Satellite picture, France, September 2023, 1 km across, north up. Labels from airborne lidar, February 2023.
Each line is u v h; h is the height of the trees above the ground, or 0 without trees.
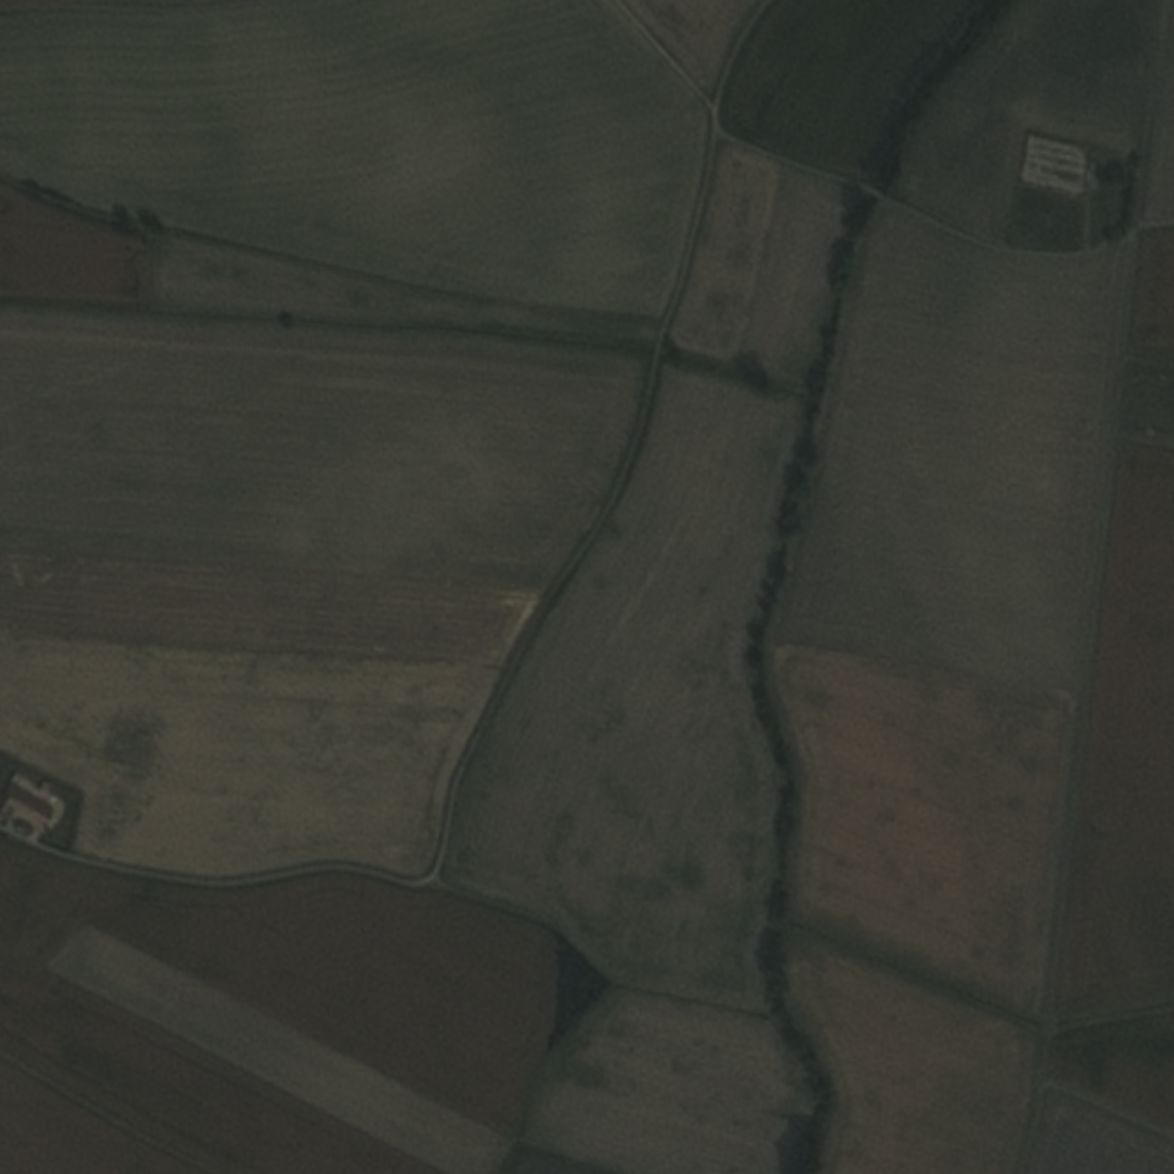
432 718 0
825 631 0
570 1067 0
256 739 0
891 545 0
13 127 0
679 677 0
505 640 0
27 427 0
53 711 0
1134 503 0
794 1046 16
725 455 0
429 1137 0
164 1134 0
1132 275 0
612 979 0
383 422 0
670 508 0
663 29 0
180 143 0
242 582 0
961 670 0
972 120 0
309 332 0
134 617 0
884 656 0
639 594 0
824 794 0
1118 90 0
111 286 0
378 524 0
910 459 0
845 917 0
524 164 0
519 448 0
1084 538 0
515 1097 0
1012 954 0
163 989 0
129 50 0
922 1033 0
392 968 0
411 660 0
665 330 0
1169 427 0
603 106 0
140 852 0
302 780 0
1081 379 0
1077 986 0
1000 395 0
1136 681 0
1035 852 0
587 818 0
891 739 0
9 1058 0
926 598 0
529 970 0
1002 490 0
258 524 0
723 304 0
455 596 0
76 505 0
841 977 0
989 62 0
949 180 0
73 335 0
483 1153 0
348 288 0
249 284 0
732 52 0
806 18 0
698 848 0
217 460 0
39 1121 0
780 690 0
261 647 0
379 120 0
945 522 0
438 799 0
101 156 0
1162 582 0
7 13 0
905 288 0
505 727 0
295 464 0
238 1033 0
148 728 0
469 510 0
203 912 0
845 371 0
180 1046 0
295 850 0
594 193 0
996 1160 0
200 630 0
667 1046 0
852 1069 0
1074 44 0
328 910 0
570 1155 0
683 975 0
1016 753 0
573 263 0
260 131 0
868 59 0
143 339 0
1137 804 0
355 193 0
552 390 0
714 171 0
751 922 0
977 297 0
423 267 0
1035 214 0
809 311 0
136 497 0
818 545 0
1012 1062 0
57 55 0
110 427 0
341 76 0
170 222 0
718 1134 0
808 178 0
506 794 0
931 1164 0
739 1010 0
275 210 0
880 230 0
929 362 0
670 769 0
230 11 0
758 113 0
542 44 0
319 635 0
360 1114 0
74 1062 0
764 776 0
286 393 0
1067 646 0
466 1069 0
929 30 0
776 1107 0
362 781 0
